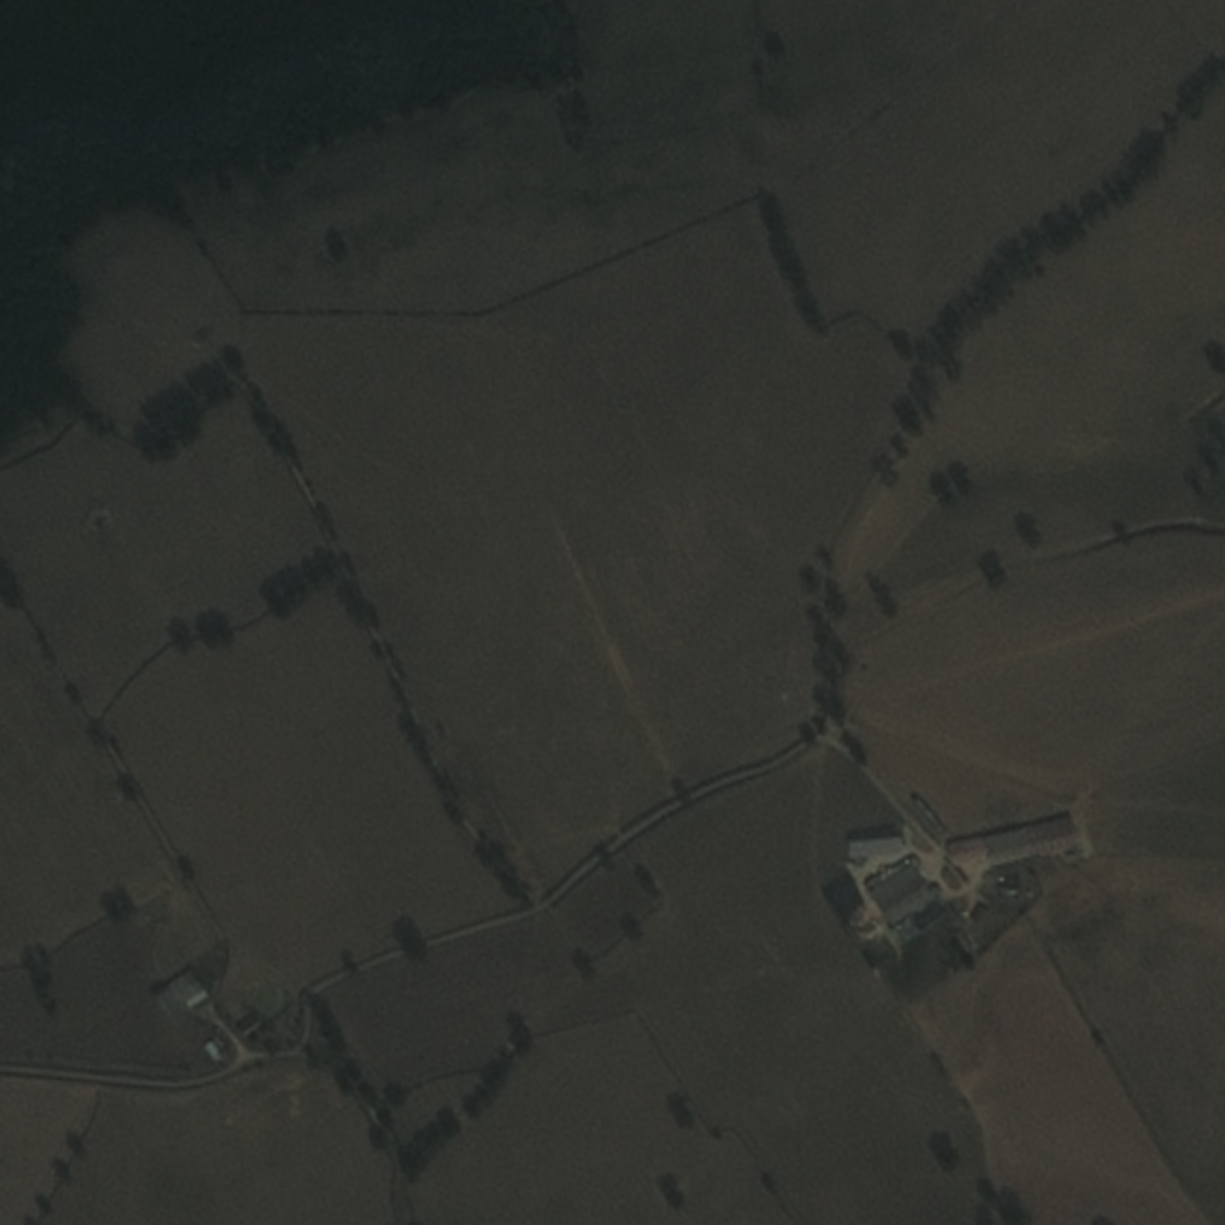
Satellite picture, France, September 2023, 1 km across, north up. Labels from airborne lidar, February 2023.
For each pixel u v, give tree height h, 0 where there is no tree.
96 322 0
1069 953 0
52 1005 9
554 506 0
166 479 0
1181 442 0
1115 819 0
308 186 0
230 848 0
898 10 0
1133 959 0
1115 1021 0
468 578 0
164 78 10
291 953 0
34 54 12
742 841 0
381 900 0
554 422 0
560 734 0
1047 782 0
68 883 0
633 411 0
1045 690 0
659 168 0
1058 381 0
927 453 0
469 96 0
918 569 0
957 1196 0
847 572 0
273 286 0
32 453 0
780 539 0
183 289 0
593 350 0
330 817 0
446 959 0
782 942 0
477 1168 0
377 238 0
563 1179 0
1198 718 0
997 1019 0
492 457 0
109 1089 0
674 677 0
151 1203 0
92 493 0
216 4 8
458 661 0
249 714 0
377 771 0
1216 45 0
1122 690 0
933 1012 0
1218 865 0
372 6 6
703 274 0
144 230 0
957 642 0
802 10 0
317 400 0
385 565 0
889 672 0
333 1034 15
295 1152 0
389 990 0
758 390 0
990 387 0
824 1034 0
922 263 0
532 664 0
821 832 0
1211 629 0
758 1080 0
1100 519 0
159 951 0
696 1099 0
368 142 0
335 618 0
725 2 0
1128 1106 0
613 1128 0
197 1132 0
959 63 0
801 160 0
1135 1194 0
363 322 0
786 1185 0
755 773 0
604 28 0
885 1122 0
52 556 0
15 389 22
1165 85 0
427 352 0
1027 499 0
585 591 0
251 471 0
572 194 0
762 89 0
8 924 0
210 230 0
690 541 0
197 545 0
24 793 0
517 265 0
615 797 0
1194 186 0
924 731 0
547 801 0
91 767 0
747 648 0
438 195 0
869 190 0
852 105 0
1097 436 0
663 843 0
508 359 0
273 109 18
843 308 0
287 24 10
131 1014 0
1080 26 0
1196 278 0
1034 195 0
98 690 0
